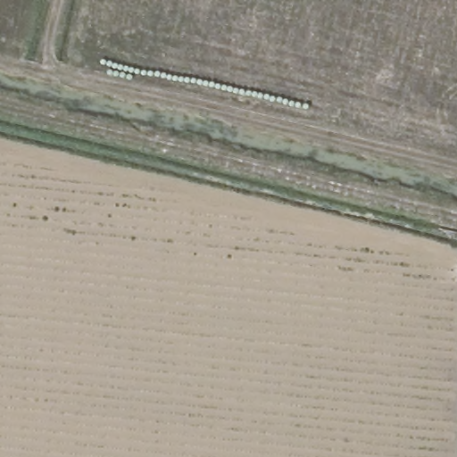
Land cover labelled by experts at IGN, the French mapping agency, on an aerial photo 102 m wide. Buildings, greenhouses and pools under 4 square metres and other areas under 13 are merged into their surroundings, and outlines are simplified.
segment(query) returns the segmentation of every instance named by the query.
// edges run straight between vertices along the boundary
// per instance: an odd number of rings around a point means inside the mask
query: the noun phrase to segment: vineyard
[[[309,150],[318,150],[321,155],[336,155],[336,159],[343,161],[353,159],[361,162],[362,166],[378,166],[382,170],[396,171],[402,175],[420,175],[441,184],[446,179],[457,179],[457,0],[54,0],[46,16],[45,32],[39,46],[41,52],[41,73],[21,71],[20,77],[27,80],[27,84],[50,84],[68,98],[89,98],[100,104],[127,105],[134,111],[159,111],[170,116],[187,116],[191,123],[202,121],[204,125],[209,125],[211,120],[218,120],[230,132],[268,137],[286,148],[303,146]]]
[[[168,175],[107,164],[0,137],[0,457],[457,457],[457,248],[437,243],[427,237],[403,234],[393,228],[375,227],[361,221],[339,218],[327,212],[278,204],[257,196],[246,196],[234,191],[193,184]]]

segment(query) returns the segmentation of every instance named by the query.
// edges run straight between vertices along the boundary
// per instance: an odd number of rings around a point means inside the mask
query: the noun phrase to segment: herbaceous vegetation
[[[29,21],[25,7],[32,0],[0,0],[0,80],[7,86],[18,87],[27,84],[27,80],[20,77],[21,71],[41,73],[41,52],[34,61],[30,61],[27,59],[29,45],[23,41],[23,37],[27,36]]]
[[[0,137],[107,164],[168,175],[193,184],[234,191],[246,196],[257,196],[278,204],[327,212],[339,218],[361,221],[375,227],[393,228],[403,234],[427,237],[437,243],[457,248],[457,205],[432,191],[407,189],[396,186],[395,182],[375,182],[370,186],[368,180],[357,175],[332,173],[328,168],[314,166],[309,161],[291,161],[280,159],[277,155],[252,152],[237,154],[230,152],[225,146],[177,139],[171,137],[168,132],[159,134],[157,129],[141,123],[118,123],[107,118],[75,114],[54,102],[27,98],[23,93],[0,91]]]

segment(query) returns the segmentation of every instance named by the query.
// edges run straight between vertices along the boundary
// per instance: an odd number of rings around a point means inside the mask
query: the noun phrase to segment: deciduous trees
[[[39,46],[45,32],[46,16],[54,0],[32,0],[25,7],[29,21],[27,36],[23,37],[23,41],[29,45],[27,59],[30,61],[34,61],[41,52]]]

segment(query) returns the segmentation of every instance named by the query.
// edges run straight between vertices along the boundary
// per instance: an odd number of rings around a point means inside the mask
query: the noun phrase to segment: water
[[[54,102],[75,114],[107,118],[118,123],[141,123],[157,129],[159,134],[168,132],[171,137],[177,139],[225,146],[230,152],[237,154],[252,152],[277,155],[280,159],[291,161],[309,161],[314,166],[328,168],[332,173],[357,175],[368,180],[370,186],[375,182],[395,182],[396,186],[407,189],[432,191],[457,205],[457,179],[446,179],[441,184],[420,175],[402,175],[396,171],[382,170],[378,166],[362,166],[361,162],[353,159],[343,161],[336,159],[336,155],[321,155],[318,150],[309,150],[303,146],[286,148],[268,137],[230,132],[218,120],[211,120],[209,125],[204,125],[202,121],[191,123],[187,116],[170,116],[159,111],[134,111],[127,105],[100,104],[89,98],[68,98],[50,84],[27,84],[18,87],[7,86],[0,80],[0,91],[23,93],[27,98]]]

